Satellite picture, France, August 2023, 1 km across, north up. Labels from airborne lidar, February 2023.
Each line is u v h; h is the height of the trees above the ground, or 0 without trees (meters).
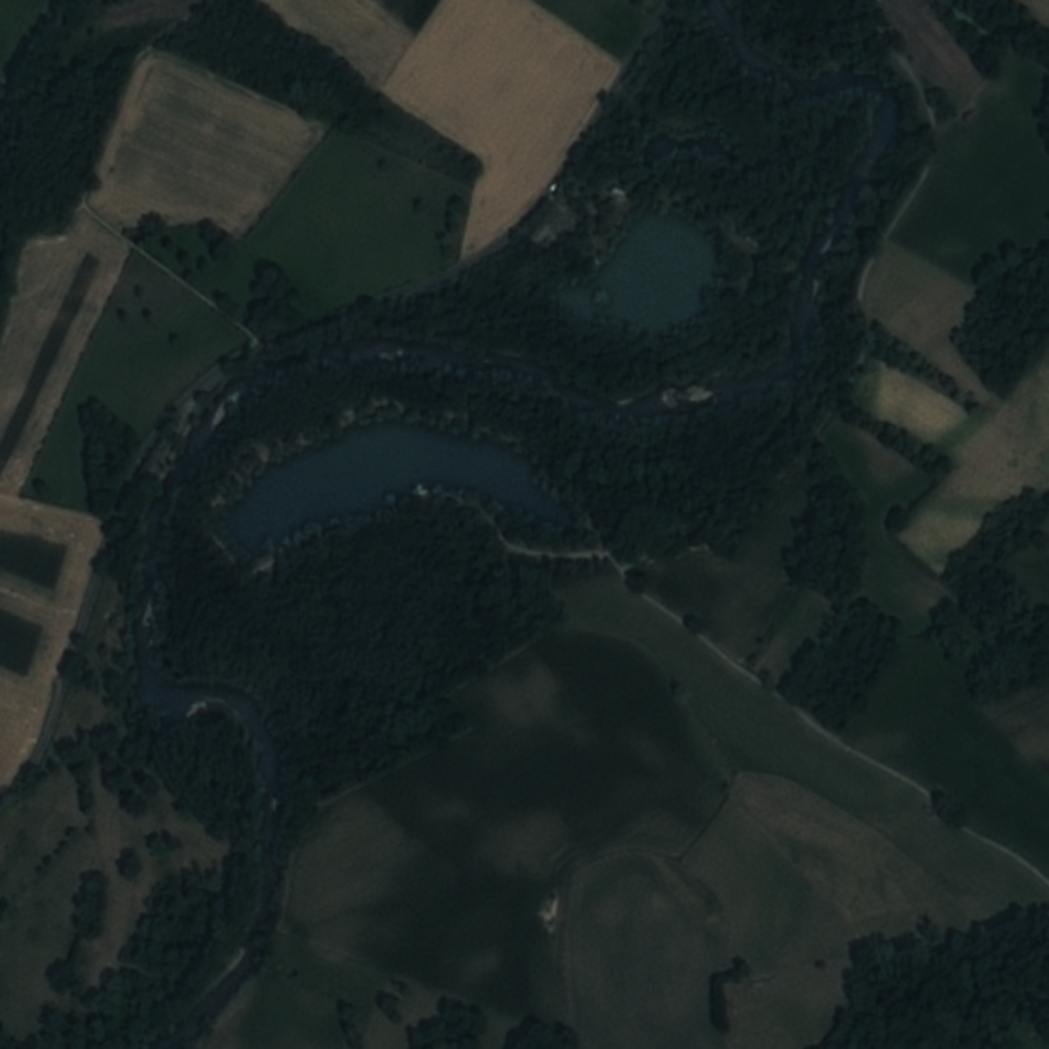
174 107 0
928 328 0
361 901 0
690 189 14
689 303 0
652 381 14
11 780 0
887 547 0
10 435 0
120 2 10
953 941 12
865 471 0
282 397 14
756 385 0
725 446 18
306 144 0
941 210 0
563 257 21
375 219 0
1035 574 0
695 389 0
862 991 28
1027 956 29
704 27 18
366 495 0
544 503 0
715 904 0
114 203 0
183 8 0
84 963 0
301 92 31
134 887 0
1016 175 0
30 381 0
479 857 0
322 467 0
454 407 23
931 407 0
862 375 13
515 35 0
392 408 12
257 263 0
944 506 0
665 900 0
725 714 0
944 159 0
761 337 7
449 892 0
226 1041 0
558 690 0
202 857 0
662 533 35
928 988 12
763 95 22
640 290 0
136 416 0
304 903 0
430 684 20
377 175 0
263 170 0
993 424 0
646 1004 0
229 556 13
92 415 17
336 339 15
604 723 0
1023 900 0
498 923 0
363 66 0
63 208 17
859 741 0
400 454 0
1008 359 19
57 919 0
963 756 0
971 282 0
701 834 0
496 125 0
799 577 20
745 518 17
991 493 0
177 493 21
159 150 0
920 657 0
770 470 24
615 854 0
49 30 23
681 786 0
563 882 0
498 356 0
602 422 17
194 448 0
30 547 0
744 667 0
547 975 0
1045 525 18
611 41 0
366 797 0
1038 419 0
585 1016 0
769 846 0
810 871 0
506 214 0
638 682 0
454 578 21
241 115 0
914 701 0
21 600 0
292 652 20
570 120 0
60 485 0
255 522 0
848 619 15
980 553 8
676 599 0
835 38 19
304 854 0
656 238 0
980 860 0
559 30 0
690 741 0
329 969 0
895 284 0
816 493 12
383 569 12
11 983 0
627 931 0
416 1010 0
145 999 22
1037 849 0
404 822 0
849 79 0
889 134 0
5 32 0
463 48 0
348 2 0
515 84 0
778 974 0
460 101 0
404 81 0
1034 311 17
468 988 0
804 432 26
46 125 22
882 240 20
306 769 18
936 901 0
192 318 0
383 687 16
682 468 23
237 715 0
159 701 0
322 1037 0
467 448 0
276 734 7
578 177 15
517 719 0
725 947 0
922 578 0
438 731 15
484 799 0
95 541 0
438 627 23
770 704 0
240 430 16
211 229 17
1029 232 0
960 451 0
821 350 20
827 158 21
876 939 0
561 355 13
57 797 0
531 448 17
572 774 0
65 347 0
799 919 0
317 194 0
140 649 0
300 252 0
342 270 0
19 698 0
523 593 21
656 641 0
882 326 13
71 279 0
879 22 15
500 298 9
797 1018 0
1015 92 0
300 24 0
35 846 0
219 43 7
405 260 0
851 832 0
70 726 0
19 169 24
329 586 18
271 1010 0
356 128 5
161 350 0
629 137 7
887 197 17
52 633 0
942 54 0
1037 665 10
